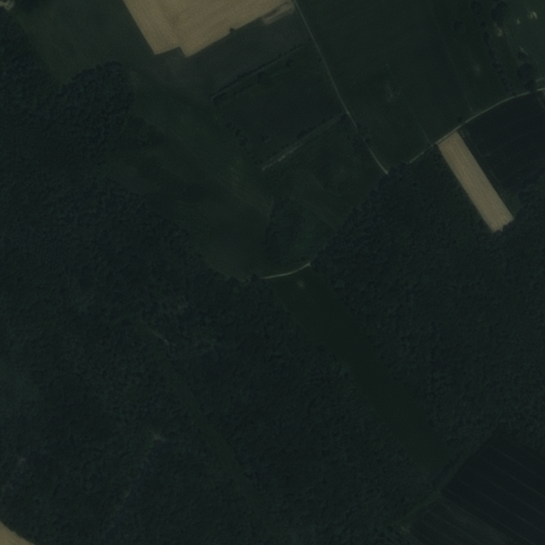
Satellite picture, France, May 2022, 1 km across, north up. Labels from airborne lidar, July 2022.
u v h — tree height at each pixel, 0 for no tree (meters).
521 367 24
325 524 25
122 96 24
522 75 20
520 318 11
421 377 24
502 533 0
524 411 8
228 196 0
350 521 25
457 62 0
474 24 0
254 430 30
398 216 22
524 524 0
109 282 27
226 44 0
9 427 23
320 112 0
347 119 12
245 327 30
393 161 0
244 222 0
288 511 26
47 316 26
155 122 0
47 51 0
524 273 25
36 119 25
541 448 27
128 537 23
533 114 0
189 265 21
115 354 28
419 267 26
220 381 21
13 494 23
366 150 12
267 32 0
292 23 0
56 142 14
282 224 10
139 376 11
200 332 23
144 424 29
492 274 13
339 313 0
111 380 22
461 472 0
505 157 0
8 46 27
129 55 0
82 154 19
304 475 29
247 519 17
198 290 30
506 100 0
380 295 25
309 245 10
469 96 0
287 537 8
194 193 7
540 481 0
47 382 23
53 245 28
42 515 29
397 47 0
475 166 0
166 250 29
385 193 23
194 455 26
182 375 26
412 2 0
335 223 0
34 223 25
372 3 0
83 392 26
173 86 0
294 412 27
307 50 0
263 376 27
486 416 28
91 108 24
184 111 0
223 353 27
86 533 23
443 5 0
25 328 22
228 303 30
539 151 0
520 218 19
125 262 26
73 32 0
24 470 16
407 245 24
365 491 16
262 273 0
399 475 23
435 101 0
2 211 25
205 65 0
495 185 0
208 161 0
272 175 6
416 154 0
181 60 0
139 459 25
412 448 0
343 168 0
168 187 7
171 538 27
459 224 15
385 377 0
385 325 29
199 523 27
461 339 20
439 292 18
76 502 28
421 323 21
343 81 0
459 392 21
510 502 0
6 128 13
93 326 30
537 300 20
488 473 0
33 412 24
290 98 0
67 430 30
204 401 22
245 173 0
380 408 0
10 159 27
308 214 10
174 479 21
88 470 28
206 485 29
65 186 18
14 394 20
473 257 18
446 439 11
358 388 11
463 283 19
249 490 6
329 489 27
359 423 20
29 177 28
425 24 0
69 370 22
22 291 28
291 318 18
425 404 21
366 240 19
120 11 0
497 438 0
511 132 0
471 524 0
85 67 0
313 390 23
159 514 25
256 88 0
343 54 0
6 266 29
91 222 30
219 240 0
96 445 27
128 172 0
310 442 30
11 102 24
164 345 28
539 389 28
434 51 0
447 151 0
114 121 15
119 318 24
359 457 21
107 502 21
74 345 23
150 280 27
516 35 0
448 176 13
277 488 25
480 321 21
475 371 22
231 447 24
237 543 27
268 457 31
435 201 13
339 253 24
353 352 0
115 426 27
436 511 0
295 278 0
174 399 26
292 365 22
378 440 24
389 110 0
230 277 0
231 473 7
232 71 0
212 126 0
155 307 27
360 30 0
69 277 21
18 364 23
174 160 0
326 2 0
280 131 0
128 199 9
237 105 0
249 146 17
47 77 22
